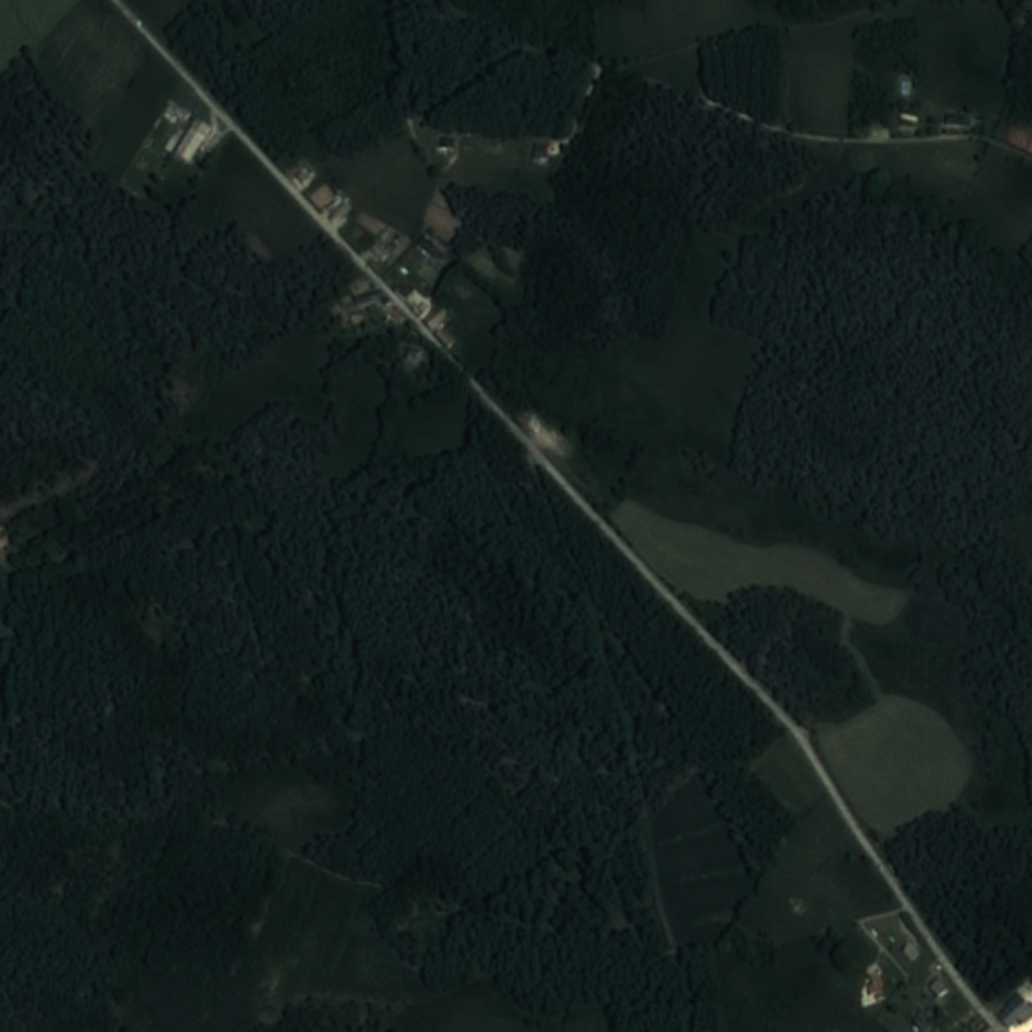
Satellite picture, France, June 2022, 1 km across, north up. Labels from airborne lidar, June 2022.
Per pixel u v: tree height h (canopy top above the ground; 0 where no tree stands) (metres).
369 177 0
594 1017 0
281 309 15
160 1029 0
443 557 16
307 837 0
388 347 18
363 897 0
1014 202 0
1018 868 19
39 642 28
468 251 15
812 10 7
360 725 28
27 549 11
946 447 15
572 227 14
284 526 31
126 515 17
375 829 14
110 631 21
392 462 13
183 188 0
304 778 0
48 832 10
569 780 17
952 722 0
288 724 11
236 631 18
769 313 12
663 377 0
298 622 30
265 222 0
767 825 22
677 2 0
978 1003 0
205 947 13
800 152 20
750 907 13
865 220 16
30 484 15
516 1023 0
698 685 21
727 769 19
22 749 22
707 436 0
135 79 7
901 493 15
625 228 13
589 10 7
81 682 28
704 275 0
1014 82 13
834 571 0
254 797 0
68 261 16
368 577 30
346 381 0
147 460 10
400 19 26
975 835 17
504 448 24
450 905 16
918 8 0
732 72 17
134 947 11
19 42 0
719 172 15
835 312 23
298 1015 9
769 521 0
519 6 11
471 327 0
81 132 25
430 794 15
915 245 16
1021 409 17
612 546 16
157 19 0
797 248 19
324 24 21
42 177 17
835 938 15
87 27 0
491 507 33
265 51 20
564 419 8
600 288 11
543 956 23
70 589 17
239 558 22
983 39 0
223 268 20
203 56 13
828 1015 0
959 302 21
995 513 19
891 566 0
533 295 6
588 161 13
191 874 11
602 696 39
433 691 23
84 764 19
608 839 27
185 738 19
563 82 35
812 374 16
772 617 21
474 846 17
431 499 32
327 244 10
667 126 15
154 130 0
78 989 21
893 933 0
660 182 17
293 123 18
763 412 20
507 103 35
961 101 0
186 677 19
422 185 0
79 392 18
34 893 12
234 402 0
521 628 12
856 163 0
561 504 11
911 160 0
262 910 18
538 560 32
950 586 12
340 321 10
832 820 0
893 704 0
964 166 0
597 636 30
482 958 24
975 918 20
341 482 14
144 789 29
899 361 22
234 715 23
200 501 17
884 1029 0
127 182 0
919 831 13
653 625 20
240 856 14
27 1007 19
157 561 27
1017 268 21
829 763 0
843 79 0
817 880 0
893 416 25
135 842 10
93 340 23
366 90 6
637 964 24
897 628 0
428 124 8
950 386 20
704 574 0
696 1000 13
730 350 0
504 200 21
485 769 16
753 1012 0
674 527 0
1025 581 17
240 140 0
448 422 0
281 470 20
